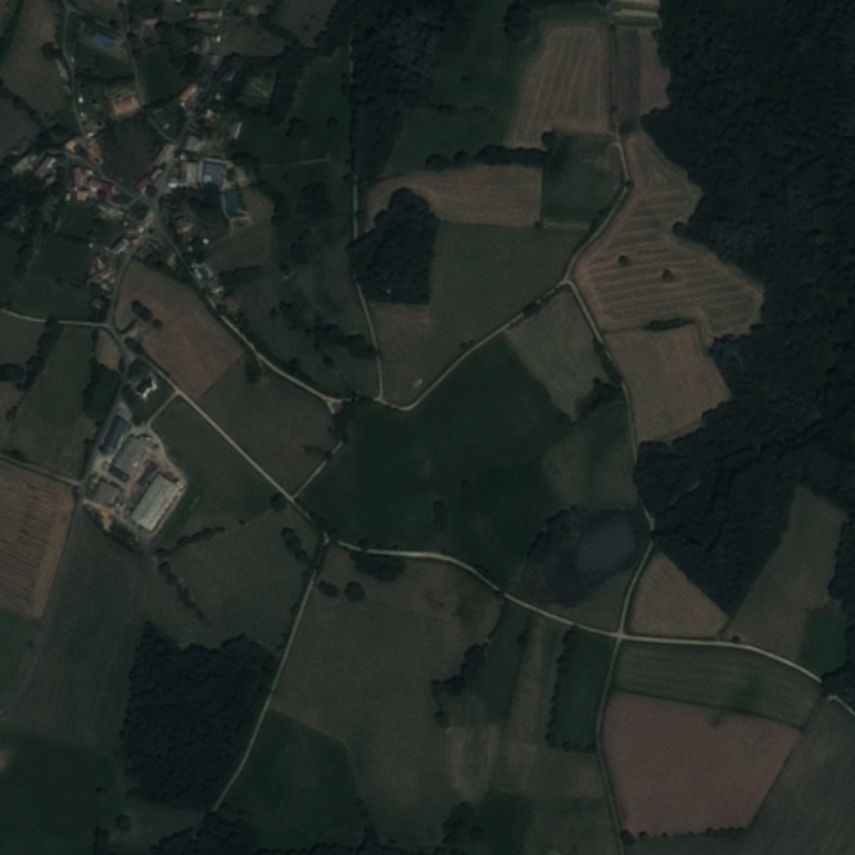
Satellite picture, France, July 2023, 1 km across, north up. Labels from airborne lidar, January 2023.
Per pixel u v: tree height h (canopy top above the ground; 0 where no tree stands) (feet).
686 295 0
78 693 0
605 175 0
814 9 29
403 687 0
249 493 0
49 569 0
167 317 0
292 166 0
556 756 0
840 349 59
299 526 0
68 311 0
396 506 0
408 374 0
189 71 31
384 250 44
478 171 0
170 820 0
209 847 30
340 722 0
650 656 0
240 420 0
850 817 0
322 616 0
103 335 0
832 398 79
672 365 0
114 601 0
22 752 0
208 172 0
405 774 0
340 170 0
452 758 0
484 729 0
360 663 0
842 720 0
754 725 0
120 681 0
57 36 20
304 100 0
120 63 0
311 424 0
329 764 0
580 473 0
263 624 0
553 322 0
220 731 28
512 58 0
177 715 60
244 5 0
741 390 31
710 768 0
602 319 0
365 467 0
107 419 0
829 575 0
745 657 0
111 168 0
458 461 0
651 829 0
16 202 35
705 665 0
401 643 0
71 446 0
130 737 41
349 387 0
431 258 22
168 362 0
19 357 0
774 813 0
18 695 0
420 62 24
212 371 0
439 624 0
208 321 0
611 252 0
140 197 0
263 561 0
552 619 0
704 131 79
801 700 0
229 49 0
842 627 0
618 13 0
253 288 0
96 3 0
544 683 0
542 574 0
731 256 60
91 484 0
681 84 30
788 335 51
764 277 40
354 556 20
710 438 41
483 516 0
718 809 0
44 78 0
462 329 0
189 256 33
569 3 39
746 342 49
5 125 0
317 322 20
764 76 22
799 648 0
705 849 0
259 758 0
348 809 0
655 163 0
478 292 0
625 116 0
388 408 27
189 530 0
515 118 0
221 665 74
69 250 0
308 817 0
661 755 0
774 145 93
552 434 0
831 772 0
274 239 0
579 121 0
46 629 0
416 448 0
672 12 34
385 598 0
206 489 0
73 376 0
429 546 0
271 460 0
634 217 0
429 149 0
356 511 0
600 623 0
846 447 18
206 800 32
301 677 0
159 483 0
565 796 0
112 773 0
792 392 44
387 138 66
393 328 0
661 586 0
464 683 57
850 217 68
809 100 49
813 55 45
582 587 0
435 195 0
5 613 0
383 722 0
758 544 49
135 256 19
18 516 0
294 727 0
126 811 0
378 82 80
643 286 0
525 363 0
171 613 0
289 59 65
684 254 0
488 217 0
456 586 0
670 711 0
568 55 0
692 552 69
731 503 62
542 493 0
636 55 0
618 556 0
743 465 52
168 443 0
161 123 0
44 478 0
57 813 0
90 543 0
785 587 0
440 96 0
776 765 0
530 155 57
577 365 0
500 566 0
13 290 0
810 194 89
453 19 72
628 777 0
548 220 0
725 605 47
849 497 54
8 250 0
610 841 0
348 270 0
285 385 0
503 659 0
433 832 0
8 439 0
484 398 0
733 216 69
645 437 0
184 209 0
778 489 62
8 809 0
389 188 0
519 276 0
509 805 0
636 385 0
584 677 0
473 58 0
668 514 52
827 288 88
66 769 0
